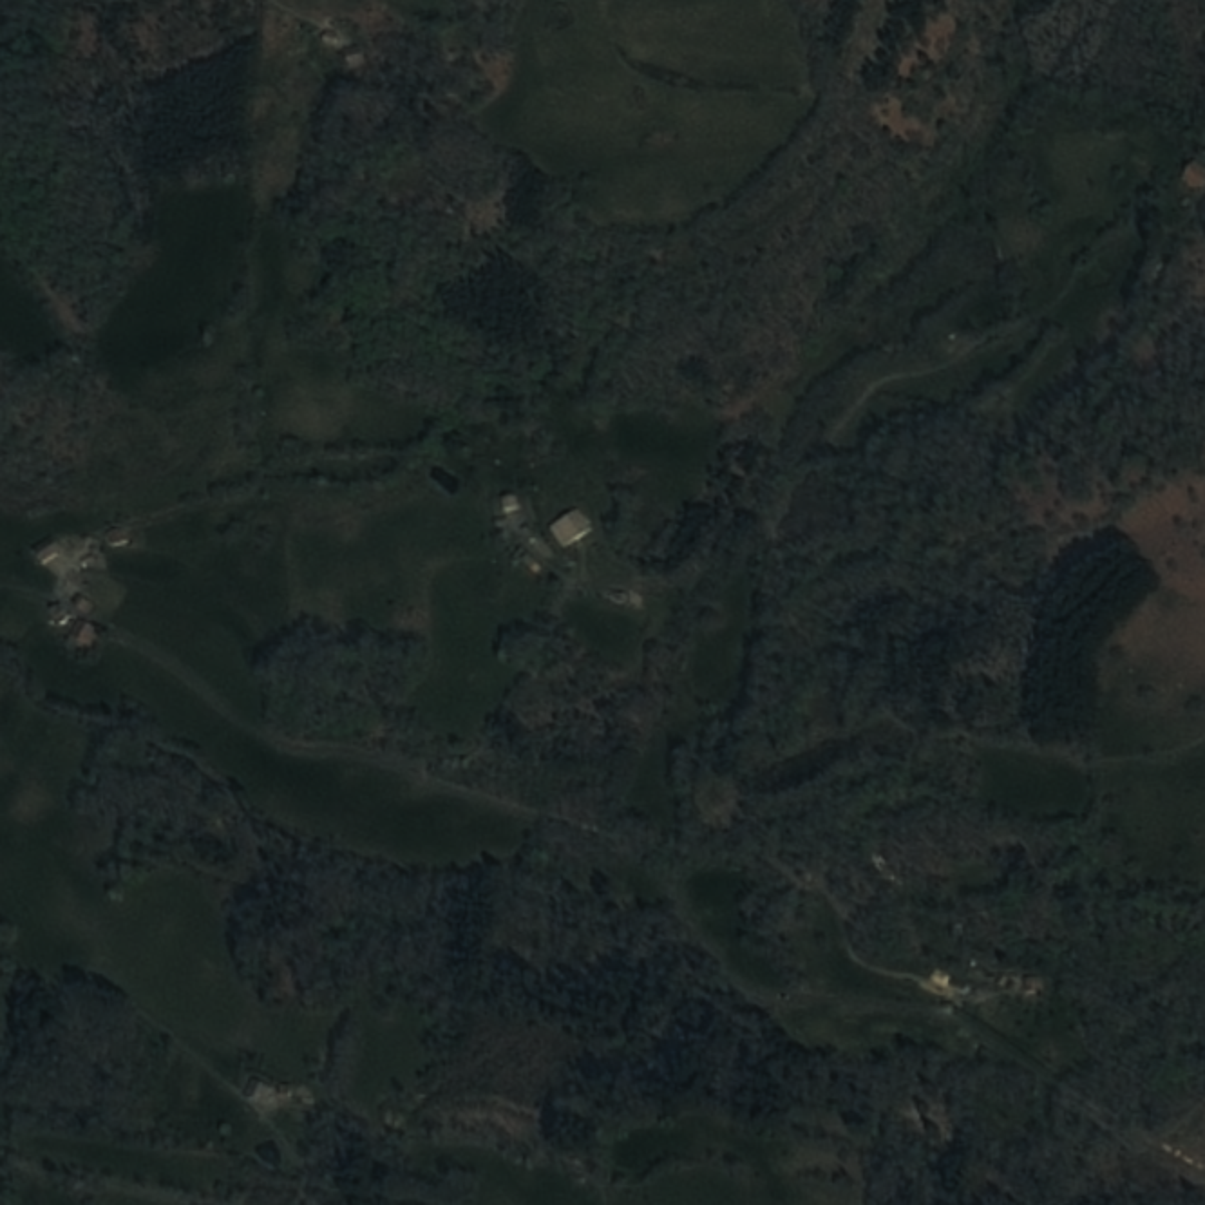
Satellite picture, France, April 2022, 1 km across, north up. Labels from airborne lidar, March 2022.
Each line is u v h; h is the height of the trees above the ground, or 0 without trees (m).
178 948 0
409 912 25
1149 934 28
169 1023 0
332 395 0
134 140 25
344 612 0
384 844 0
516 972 28
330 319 6
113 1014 27
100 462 0
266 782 0
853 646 21
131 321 0
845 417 0
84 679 0
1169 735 0
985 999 0
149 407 0
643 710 30
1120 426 11
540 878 20
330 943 25
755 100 0
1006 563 8
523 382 28
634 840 21
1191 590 0
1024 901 20
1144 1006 23
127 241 14
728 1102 30
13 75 32
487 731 8
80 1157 0
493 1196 0
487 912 30
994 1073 24
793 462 19
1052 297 0
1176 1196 22
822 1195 0
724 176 0
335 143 25
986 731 12
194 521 0
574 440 0
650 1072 26
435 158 26
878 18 0
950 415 17
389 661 26
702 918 0
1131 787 0
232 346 0
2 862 0
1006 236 0
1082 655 33
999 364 0
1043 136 0
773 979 0
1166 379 8
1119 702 0
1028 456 6
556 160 0
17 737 0
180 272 0
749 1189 0
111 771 23
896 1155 8
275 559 0
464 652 0
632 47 0
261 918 32
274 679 31
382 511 0
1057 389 0
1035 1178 18
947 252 15
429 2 0
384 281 17
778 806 22
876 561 10
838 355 0
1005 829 21
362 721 20
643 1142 0
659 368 14
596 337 21
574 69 0
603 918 24
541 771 11
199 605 0
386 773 0
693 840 23
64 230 16
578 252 30
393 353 22
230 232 0
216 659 0
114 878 23
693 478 0
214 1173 0
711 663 0
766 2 0
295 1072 0
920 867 20
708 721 9
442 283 13
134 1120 11
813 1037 0
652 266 8
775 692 28
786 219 0
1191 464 0
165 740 21
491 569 0
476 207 21
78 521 0
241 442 16
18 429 7
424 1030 0
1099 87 21
